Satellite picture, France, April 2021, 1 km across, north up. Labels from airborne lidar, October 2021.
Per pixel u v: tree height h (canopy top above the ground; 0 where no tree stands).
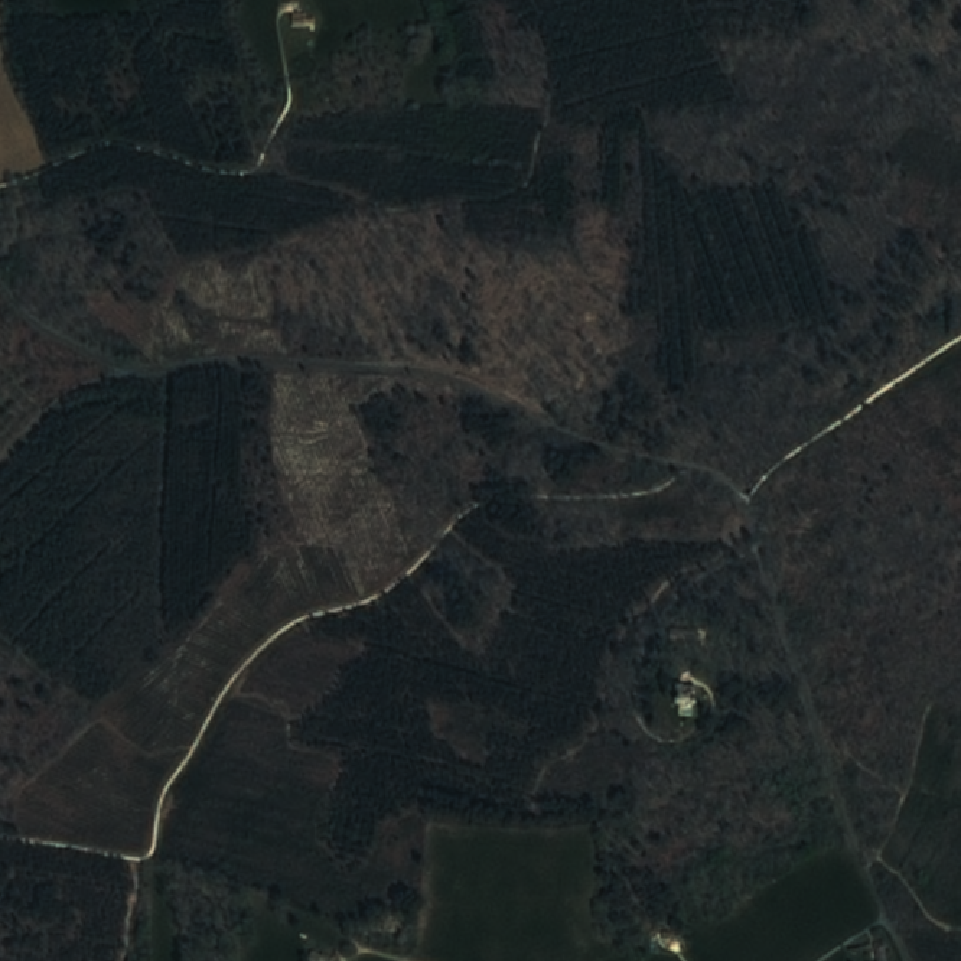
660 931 12
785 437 11
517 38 22
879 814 8
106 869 11
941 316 11
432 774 11
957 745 11
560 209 13
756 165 14
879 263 10
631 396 22
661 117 23
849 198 11
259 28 0
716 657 18
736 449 13
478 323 18
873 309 14
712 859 13
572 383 18
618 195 13
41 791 0
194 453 11
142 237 10
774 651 18
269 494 11
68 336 10
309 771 0
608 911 17
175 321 0
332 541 0
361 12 0
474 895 0
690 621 19
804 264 13
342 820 9
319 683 0
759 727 19
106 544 12
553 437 11
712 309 11
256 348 0
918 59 17
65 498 19
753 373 8
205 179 14
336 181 9
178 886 19
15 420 11
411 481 13
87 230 13
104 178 13
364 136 9
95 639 13
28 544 14
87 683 15
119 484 13
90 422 11
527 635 9
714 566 13
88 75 12
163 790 0
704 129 18
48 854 10
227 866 8
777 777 18
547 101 8
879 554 11
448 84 15
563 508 18
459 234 20
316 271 20
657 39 9
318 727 11
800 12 13
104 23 11
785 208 13
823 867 0
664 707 0
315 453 0
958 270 11
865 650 13
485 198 8
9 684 13
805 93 9
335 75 13
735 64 10
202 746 0
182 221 12
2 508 12
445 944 0
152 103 13
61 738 7
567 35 14
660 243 12
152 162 13
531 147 9
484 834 0
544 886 0
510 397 0
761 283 12
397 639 13
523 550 7
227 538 12
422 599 12
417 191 9
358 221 15
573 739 10
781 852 10
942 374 7
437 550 20
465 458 13
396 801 8
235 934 16
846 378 11
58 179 13
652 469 18
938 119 16
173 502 13
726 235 12
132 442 7
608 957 0
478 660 10
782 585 12
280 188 12
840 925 0
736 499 17
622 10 12
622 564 10
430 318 15
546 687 10
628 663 17
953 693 11
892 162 14
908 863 16
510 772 10
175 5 8
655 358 9
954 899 6
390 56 7
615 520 17
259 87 11
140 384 13
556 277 26
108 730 0
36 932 11
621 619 9
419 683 12
